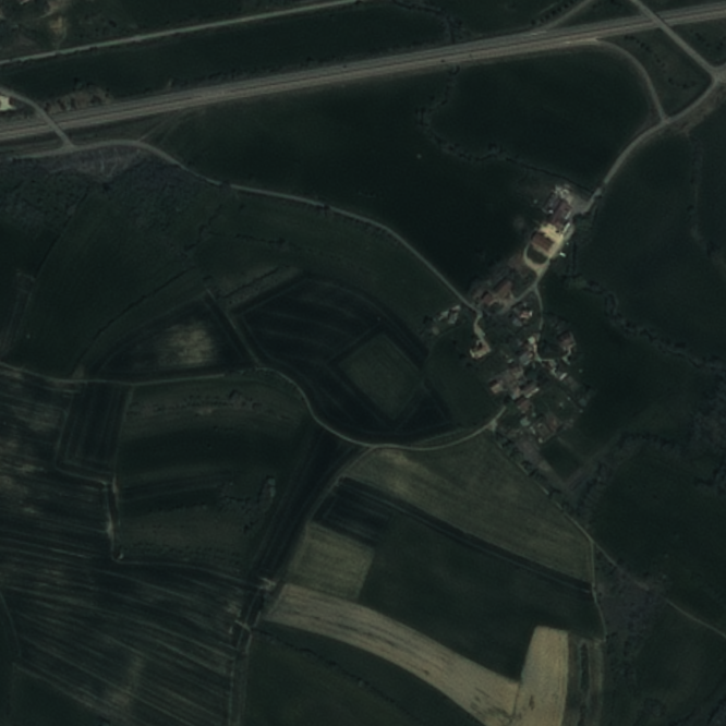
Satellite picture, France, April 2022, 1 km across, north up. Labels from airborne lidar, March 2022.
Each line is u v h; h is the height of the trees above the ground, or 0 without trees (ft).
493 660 0
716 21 0
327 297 0
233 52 0
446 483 0
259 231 0
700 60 0
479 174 0
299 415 0
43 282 0
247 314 0
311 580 0
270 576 0
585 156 0
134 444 0
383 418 0
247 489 0
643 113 0
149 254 0
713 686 0
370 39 0
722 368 59
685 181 0
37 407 0
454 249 0
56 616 0
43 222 37
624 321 48
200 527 0
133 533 0
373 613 0
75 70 0
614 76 0
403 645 0
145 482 0
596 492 70
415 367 0
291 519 0
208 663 0
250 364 0
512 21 0
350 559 0
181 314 0
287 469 0
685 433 0
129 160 0
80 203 21
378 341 0
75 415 0
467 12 0
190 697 0
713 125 0
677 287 0
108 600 0
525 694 0
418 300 0
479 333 0
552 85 0
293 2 42
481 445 0
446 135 0
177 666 0
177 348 0
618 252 0
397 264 0
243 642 0
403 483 0
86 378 0
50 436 0
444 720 0
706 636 0
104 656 0
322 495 0
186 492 0
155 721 0
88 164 0
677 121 0
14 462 0
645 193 0
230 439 0
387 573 0
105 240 0
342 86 0
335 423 0
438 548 0
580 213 0
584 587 0
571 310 0
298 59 0
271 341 0
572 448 0
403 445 0
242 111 0
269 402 0
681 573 0
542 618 0
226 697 0
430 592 0
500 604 0
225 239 0
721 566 0
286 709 0
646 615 58
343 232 0
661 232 0
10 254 0
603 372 0
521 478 0
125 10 0
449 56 0
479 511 0
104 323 0
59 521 0
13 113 23
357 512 0
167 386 0
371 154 0
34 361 0
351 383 0
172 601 0
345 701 0
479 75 0
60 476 0
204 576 0
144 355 0
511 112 0
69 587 0
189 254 42
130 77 0
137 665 0
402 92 0
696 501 0
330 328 0
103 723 30
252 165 0
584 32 0
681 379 0
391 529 0
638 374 0
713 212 0
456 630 0
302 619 0
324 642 0
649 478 0
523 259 0
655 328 0
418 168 0
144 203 26
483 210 0
